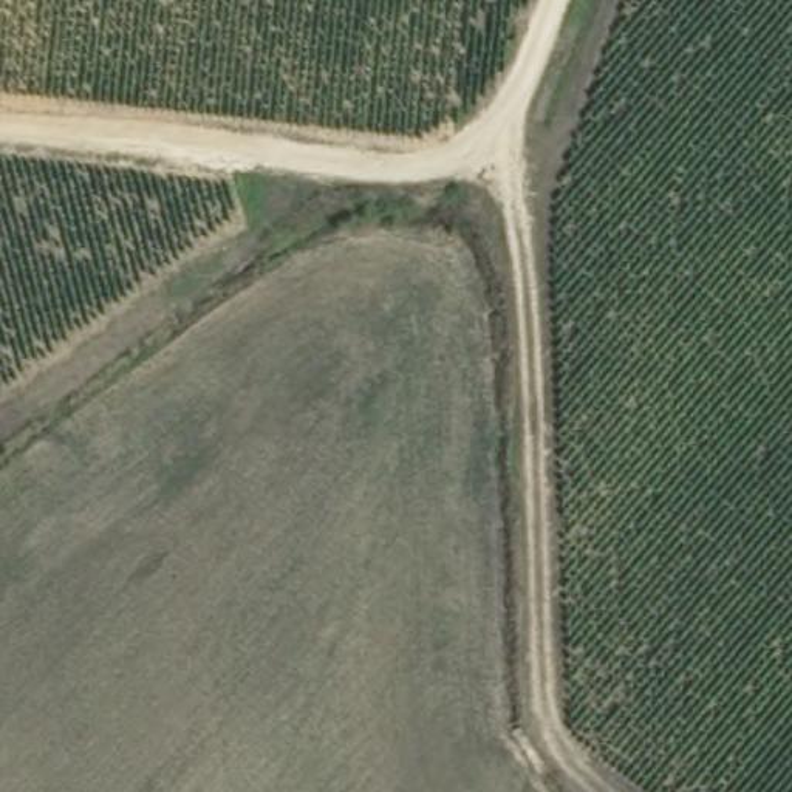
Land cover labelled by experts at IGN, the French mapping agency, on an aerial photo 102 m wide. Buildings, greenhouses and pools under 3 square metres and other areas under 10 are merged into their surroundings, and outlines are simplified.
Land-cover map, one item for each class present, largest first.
<instances>
[{"label":"vineyard","instance_id":"1","mask_svg":"<svg viewBox=\"0 0 792 792\"><path fill-rule=\"evenodd\" d=\"M532 0H0V118H80L93 102H114L179 111L183 124L226 133L275 136L300 145L356 149L374 155H411L421 145L418 136L427 133L433 142L446 145L480 111V99H486L495 90V80L507 71V65L517 56V43L529 25ZM541 285L545 390L551 418L548 476L554 489L551 548L557 702L566 730L591 755L616 767L644 792H792V0H619L609 37L603 43L594 80L588 87V99L579 111V124L569 133L563 164L554 173L548 204V244L535 257ZM232 213V195L223 179L183 176L170 158H142L124 152H65L0 142V384L12 381L25 368V359L53 353V343L65 340L71 328L87 325L105 309V303L118 300L124 291L139 285L142 272H155L158 266L173 260V254L186 251L192 238L210 235L217 226H223Z\"/></svg>","mask_w":792,"mask_h":792},{"label":"agricultural land","instance_id":"2","mask_svg":"<svg viewBox=\"0 0 792 792\"><path fill-rule=\"evenodd\" d=\"M495 356L489 337V306L483 297V278L473 269L467 244L458 235H449L442 229H405L365 226H343L322 244L282 260L275 269L254 278L248 288L235 291L226 303L207 309L173 343H167L152 359L136 365L127 377L114 381L90 405L77 408L68 421H62L65 433H77L93 446L87 458H77L71 449L43 439L34 442L19 461L0 470V792H551L545 786V767L535 770L532 764L514 761V755L492 733L489 687H504V606L498 588L480 585L476 507L461 492L473 439V411H486L489 427L498 430L492 384Z\"/></svg>","mask_w":792,"mask_h":792},{"label":"herbaceous vegetation","instance_id":"3","mask_svg":"<svg viewBox=\"0 0 792 792\"><path fill-rule=\"evenodd\" d=\"M619 0H569L563 22L557 28L554 50L526 108L523 158L535 257L548 244V204L554 173L563 164L569 133L579 124V111L588 99V87L594 80L603 43L609 37ZM232 195V213L223 226H217L210 235L192 238L186 251L173 254V260L158 266L155 272H142L139 285L124 291L118 300L105 303V309L87 325L71 328L65 340L53 343V353L25 359V368L12 381L0 384V470L19 461L34 442L43 439L71 449L77 458H87L93 446L77 433H65L62 421H68L77 408L90 405L114 381L127 377L136 365L152 359L167 343H173L207 309L226 303L235 291L248 288L254 278L275 269L282 260L322 244L343 226H365V198L377 201L381 192L393 186L405 201H418L427 207L421 217L405 220V229H442L449 235H458L467 244L473 269L483 278V297L489 306V337L495 356L492 384L498 430L489 427L486 411H473V439L461 492L476 507L480 585L498 588L504 606V687H489L492 733L514 755V761L532 764L535 770L545 767V786L551 792H644L616 767L591 755L597 773L575 789L554 764L529 705L523 415L514 278L501 204L486 186L464 179L350 183L309 179L300 173L275 170H238L226 173L223 179Z\"/></svg>","mask_w":792,"mask_h":792},{"label":"pervious surface","instance_id":"4","mask_svg":"<svg viewBox=\"0 0 792 792\"><path fill-rule=\"evenodd\" d=\"M569 0H532L529 25L517 43V56L507 65V71L495 80V90L486 99H480V111L446 145L433 142L427 133L418 136L421 145L411 155H374L356 149L300 145L275 136L226 133L183 124L179 111L114 102H93L80 118H0V142L65 152H124L142 158H170L183 176L223 179L226 173L238 170H275L300 173L309 179L350 183L464 179L486 186L501 204L514 278L523 415L529 705L554 764L575 789L597 773L591 755L566 730L557 702L551 548L554 489L548 476L551 418L545 390L541 285L535 257L523 158L526 108L554 50L557 28L563 22Z\"/></svg>","mask_w":792,"mask_h":792},{"label":"brushwood","instance_id":"5","mask_svg":"<svg viewBox=\"0 0 792 792\"><path fill-rule=\"evenodd\" d=\"M427 207L418 201H405L393 186L381 192L377 201L365 198V226L405 229V220L421 217Z\"/></svg>","mask_w":792,"mask_h":792}]
</instances>
